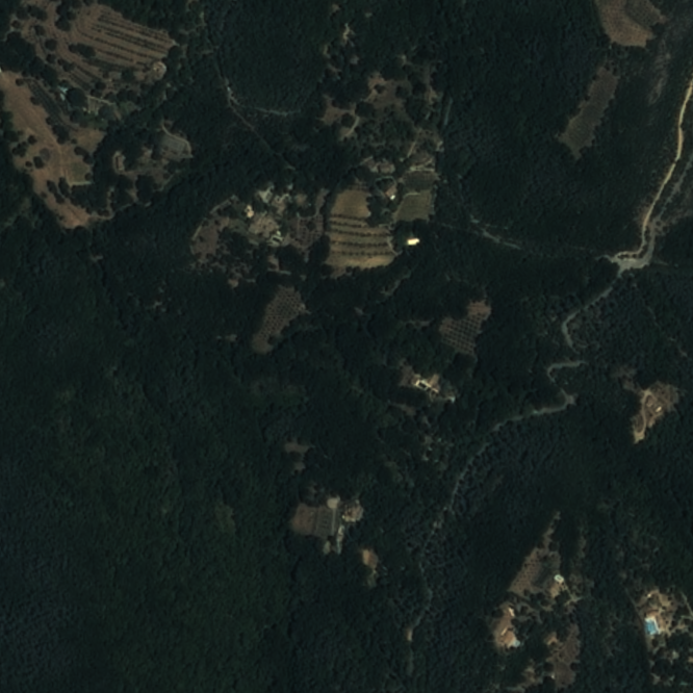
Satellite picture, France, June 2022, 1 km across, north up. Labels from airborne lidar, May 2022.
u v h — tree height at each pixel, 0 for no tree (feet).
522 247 36
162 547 65
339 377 48
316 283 43
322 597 51
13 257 52
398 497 30
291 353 52
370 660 34
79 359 42
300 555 60
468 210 31
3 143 30
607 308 55
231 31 51
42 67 52
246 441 45
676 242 35
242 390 46
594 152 41
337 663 53
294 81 33
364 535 44
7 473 46
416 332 54
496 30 31
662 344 50
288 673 36
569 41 58
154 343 51
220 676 56
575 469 22
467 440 45
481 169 42
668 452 42
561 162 41
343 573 42
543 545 27
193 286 35
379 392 62
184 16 37
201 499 35
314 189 26
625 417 32
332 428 58
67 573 49
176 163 29
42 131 0
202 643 35
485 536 44
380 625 49
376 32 43
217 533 36
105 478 50
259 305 57
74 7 33
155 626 39
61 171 0
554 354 33
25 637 70
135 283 41
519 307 44
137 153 46
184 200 39
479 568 27
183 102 42
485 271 42
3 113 28
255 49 37
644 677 33
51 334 53
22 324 31
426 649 33
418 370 38
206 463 56
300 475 43
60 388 51
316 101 45
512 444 64
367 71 53
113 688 50
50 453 45
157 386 52
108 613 54
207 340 38
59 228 18
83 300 47
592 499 34
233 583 38
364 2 40
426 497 31
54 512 40
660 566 25
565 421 35
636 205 21
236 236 37
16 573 37
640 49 36
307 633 50
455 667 54
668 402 0
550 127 46
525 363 33
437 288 35
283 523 25
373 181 41
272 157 43
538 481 56
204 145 44
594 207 35
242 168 34
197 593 46
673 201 23
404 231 54
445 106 31
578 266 54
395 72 52
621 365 29
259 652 52
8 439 45
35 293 58
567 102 44
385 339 39
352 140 22
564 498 27
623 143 27
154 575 50
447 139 37
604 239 44
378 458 47
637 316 46
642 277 44
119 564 54
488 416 56
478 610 29
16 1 48
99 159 54
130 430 30
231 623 39
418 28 71
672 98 30
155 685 67
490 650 26
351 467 58
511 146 55
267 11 39
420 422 34
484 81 42
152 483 37
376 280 36
